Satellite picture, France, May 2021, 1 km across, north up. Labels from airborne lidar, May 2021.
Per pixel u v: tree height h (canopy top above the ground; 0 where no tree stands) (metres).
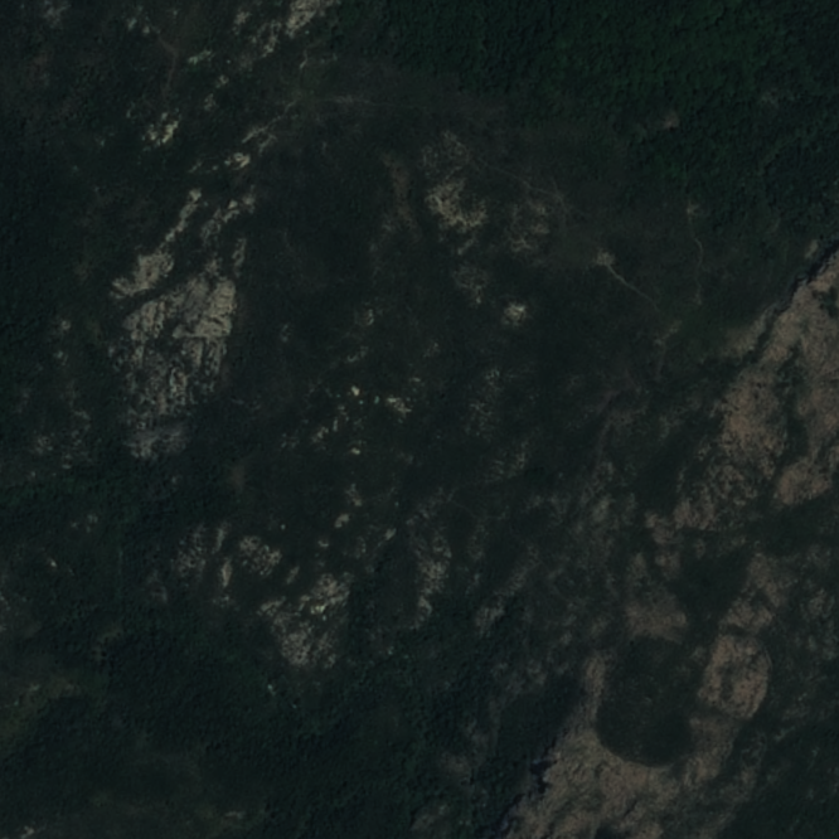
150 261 0
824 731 6
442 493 0
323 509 8
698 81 17
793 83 14
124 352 8
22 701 8
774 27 6
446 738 8
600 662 0
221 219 0
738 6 15
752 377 0
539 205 0
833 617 8
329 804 9
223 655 16
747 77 19
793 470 0
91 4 6
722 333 0
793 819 7
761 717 6
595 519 0
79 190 7
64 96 8
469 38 15
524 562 0
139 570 8
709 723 0
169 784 6
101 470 10
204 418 7
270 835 6
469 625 6
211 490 8
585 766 0
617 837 5
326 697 9
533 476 12
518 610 6
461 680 10
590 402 0
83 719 9
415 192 7
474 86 11
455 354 11
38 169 7
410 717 8
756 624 0
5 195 7
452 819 6
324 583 0
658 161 17
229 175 7
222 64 5
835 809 8
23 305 8
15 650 7
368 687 9
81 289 6
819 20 14
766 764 6
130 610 17
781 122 9
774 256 7
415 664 6
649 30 19
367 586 12
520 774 5
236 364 9
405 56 11
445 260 6
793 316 0
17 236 9
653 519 0
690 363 0
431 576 0
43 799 9
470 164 0
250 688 7
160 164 6
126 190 5
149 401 7
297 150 0
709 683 0
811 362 0
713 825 0
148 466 8
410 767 14
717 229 12
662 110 7
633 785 0
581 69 9
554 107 11
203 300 0
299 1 0
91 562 6
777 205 10
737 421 0
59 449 9
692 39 22
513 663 6
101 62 6
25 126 13
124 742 6
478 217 0
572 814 0
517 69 10
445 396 13
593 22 18
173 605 7
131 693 6
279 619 0
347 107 0
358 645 8
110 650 10
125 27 6
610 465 0
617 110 11
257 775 10
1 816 7
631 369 0
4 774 7
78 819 6
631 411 0
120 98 6
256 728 11
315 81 0
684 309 0
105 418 10
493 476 0
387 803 7
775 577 0
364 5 14
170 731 12
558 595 0
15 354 7
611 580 0
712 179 8
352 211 5
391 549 7
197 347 0
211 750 15
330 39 6
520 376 0
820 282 0
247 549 0
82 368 8
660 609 0
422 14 16
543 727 8
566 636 0
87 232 6
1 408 15
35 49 11
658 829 0
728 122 14
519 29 10
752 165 15
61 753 8
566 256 0
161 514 10
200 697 12
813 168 8
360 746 9
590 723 0
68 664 10
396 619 10
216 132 6
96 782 5
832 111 15
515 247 0
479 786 7
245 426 6
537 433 0
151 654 12
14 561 8
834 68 12
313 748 13
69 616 8
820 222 6
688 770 0
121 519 17
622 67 18
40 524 7
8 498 20
